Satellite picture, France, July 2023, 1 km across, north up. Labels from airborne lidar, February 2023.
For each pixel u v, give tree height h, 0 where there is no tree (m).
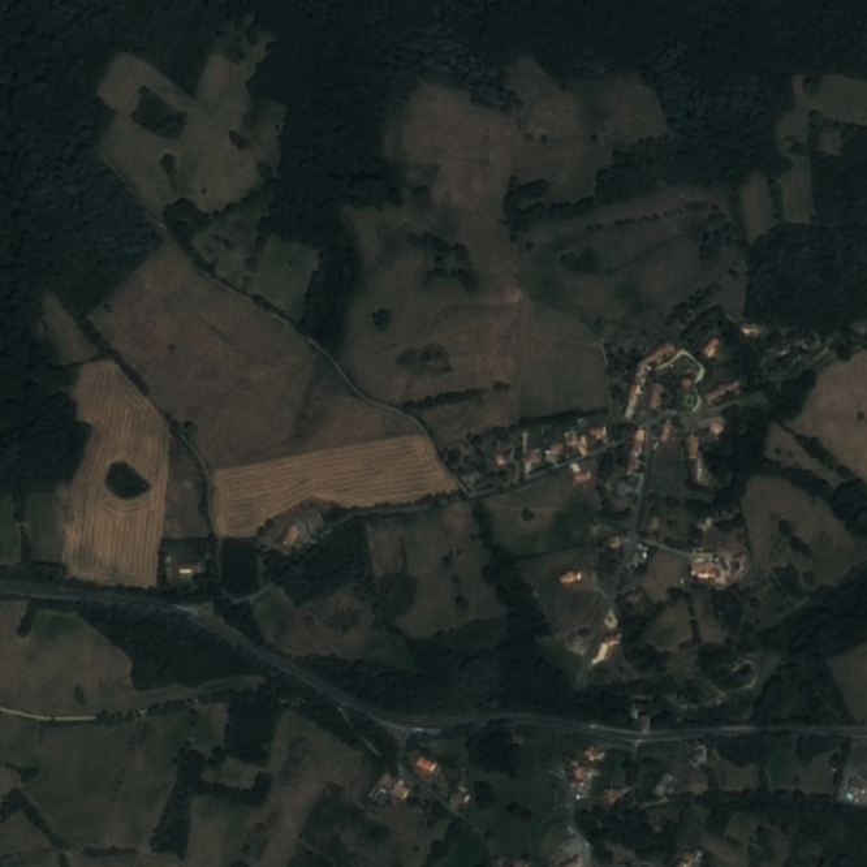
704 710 7
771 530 0
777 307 9
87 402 0
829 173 7
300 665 8
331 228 6
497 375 0
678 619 0
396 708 10
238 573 11
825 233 10
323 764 0
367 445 0
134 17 0
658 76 21
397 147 0
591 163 0
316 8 24
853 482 9
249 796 13
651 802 8
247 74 0
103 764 0
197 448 0
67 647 0
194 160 0
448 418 0
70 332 0
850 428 0
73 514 0
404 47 14
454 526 0
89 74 13
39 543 0
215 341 0
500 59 13
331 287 6
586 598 0
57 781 0
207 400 0
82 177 18
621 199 7
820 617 19
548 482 0
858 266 6
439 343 0
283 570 14
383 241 0
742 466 8
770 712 17
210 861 0
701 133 7
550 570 0
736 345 14
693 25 16
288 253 0
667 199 0
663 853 9
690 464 10
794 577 10
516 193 10
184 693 0
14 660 0
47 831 8
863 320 8
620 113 0
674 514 0
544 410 0
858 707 0
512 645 11
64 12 28
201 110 0
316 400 0
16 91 9
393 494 0
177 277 0
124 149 0
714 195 0
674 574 0
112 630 8
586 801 0
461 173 0
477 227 0
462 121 0
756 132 8
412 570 0
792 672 14
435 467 0
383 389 0
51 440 18
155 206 0
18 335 18
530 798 0
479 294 0
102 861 0
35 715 0
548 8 20
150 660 8
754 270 8
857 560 0
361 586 12
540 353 0
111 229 18
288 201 19
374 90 20
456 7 15
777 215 5
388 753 10
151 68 0
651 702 8
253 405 0
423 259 0
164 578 8
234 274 0
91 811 0
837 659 0
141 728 0
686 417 0
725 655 11
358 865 0
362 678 18
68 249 10
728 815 10
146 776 0
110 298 0
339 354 0
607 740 0
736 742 8
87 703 0
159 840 9
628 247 0
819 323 12
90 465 0
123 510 0
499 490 9
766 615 0
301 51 22
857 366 0
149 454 0
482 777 0
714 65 25
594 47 23
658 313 0
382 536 0
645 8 21
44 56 23
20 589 0
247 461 0
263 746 8
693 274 0
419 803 10
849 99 0
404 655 0
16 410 14
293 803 0
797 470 9
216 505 0
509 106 8
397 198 18
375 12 16
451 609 0
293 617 0
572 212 14
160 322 0
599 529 0
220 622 0
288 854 0
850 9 22
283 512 0
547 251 0
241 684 0
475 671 17
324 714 12
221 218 13
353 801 0
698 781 0
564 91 8
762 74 15
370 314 0
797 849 0
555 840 0
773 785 0
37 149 18
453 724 0
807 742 15
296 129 17
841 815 13
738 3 24
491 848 0
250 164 0
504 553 6
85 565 0
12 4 14
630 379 7
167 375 0
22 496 5
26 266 17
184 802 13
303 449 0
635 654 8
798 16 22
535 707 21
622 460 8
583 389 0
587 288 0
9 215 10
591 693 7
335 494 0
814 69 10
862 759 0
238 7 23
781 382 7
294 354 0
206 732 0
